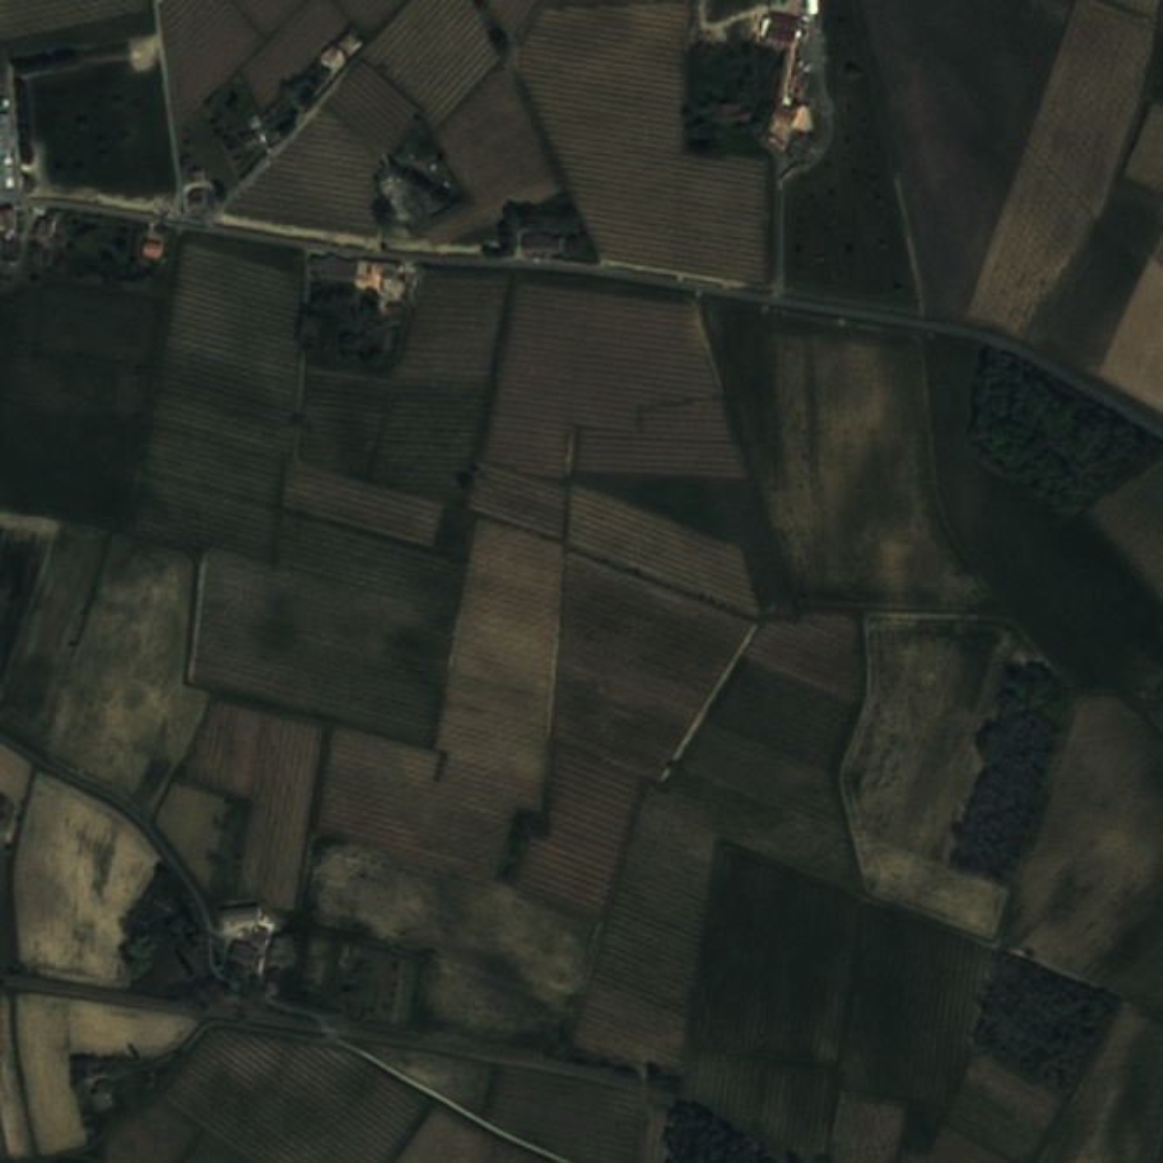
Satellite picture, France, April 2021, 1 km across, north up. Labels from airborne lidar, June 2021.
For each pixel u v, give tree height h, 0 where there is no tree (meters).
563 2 0
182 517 0
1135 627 0
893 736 0
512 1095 0
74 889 0
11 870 0
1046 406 23
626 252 0
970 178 0
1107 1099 0
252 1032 0
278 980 8
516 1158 0
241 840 0
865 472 0
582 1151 0
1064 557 0
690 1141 21
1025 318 0
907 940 0
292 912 0
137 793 0
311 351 19
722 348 0
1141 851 0
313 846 0
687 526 0
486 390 0
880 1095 0
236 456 0
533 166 0
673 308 0
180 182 0
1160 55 0
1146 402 0
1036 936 0
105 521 0
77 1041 0
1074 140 0
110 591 0
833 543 0
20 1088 0
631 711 0
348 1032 0
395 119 0
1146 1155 0
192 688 0
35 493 0
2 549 0
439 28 0
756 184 0
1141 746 0
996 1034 12
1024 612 0
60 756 0
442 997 0
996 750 20
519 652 0
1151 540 0
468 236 0
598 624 0
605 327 0
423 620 0
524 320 0
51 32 0
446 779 0
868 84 0
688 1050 0
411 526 0
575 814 0
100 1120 0
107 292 0
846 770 0
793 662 0
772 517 0
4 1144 0
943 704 0
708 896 0
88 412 0
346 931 0
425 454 0
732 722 0
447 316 0
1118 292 0
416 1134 0
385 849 0
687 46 0
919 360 0
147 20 0
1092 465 19
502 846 0
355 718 0
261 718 0
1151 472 0
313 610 0
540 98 0
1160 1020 0
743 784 0
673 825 0
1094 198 0
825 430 0
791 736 0
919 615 0
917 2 0
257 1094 0
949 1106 0
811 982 0
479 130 0
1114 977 0
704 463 0
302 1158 0
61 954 0
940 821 0
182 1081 0
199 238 0
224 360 0
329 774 0
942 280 0
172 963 0
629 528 0
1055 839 0
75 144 0
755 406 0
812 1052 0
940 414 0
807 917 0
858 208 0
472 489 19
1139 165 0
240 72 0
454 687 0
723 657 0
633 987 0
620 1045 0
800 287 0
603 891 0
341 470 0
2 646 0
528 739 0
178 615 0
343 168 0
